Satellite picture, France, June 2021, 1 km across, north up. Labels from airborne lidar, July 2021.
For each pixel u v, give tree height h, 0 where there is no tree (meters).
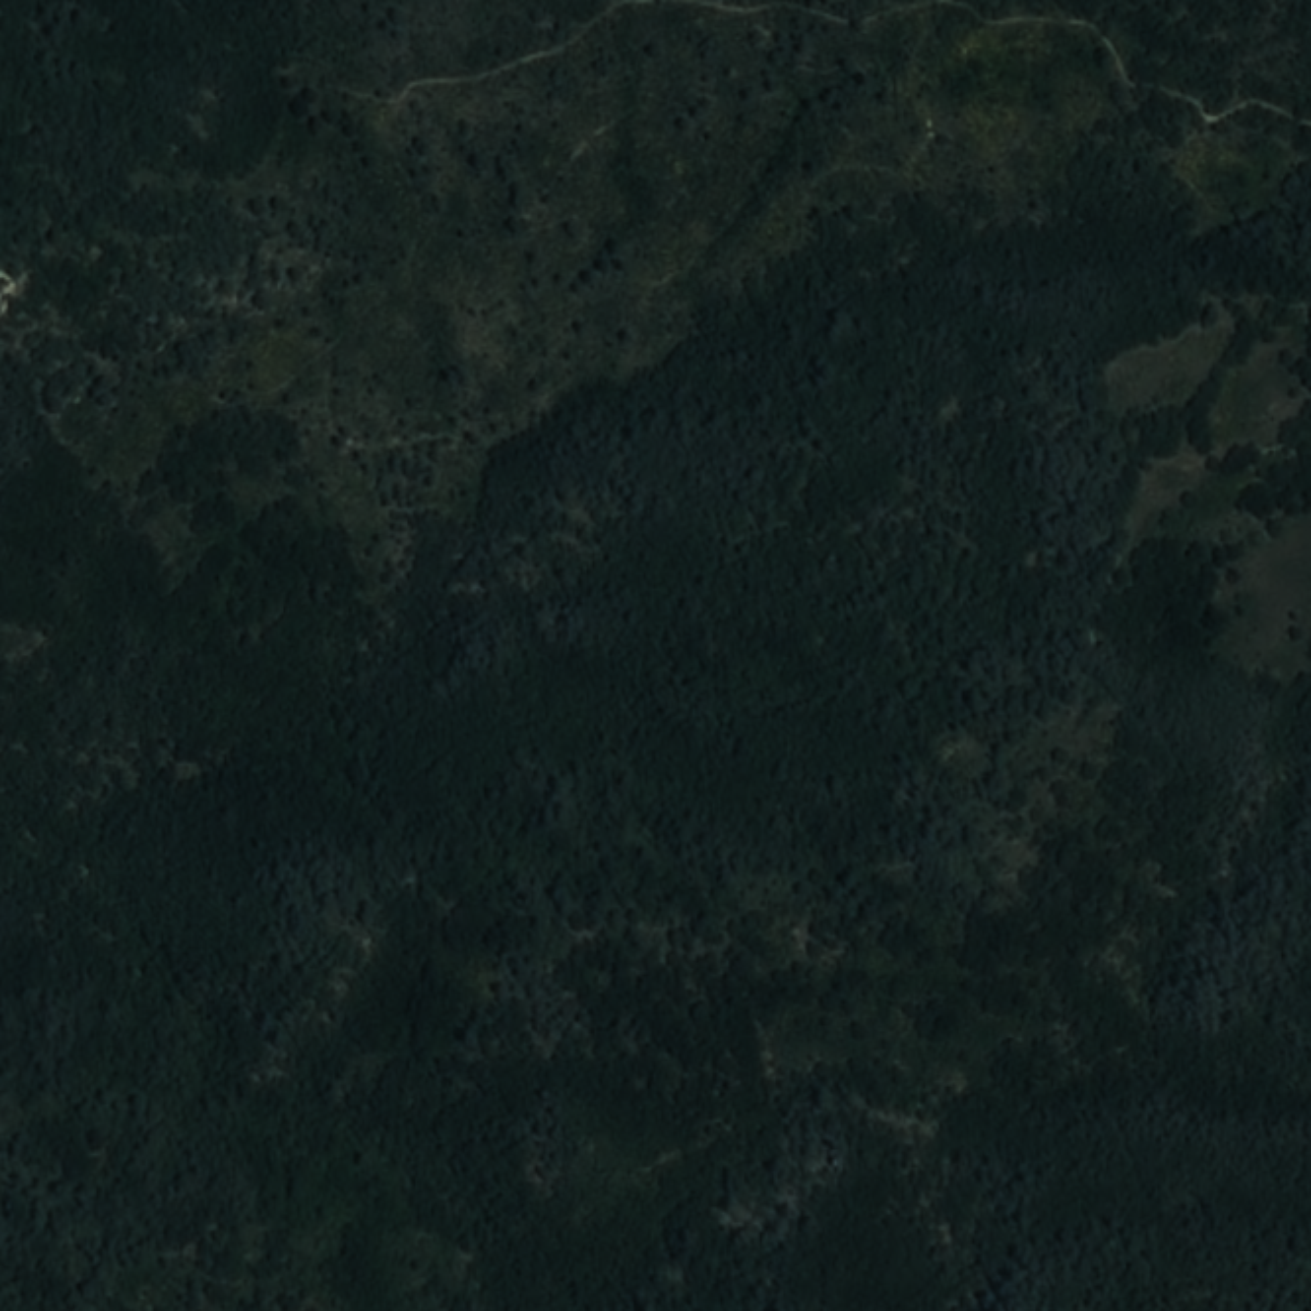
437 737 15
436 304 6
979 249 17
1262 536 6
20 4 9
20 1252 14
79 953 13
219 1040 10
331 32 7
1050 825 7
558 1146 8
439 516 12
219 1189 13
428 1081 6
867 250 10
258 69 11
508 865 6
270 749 10
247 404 7
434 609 12
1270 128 7
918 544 9
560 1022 15
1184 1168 15
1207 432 11
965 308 11
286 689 17
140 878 9
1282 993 16
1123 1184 13
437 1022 10
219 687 8
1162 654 14
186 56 14
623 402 13
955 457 9
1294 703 9
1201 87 8
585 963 11
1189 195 8
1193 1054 9
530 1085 14
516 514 8
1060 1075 15
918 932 11
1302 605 0
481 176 9
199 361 15
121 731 8
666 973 11
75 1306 14
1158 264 9
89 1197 13
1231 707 12
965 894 15
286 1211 8
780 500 9
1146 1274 15
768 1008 12
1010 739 14
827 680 14
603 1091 13
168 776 15
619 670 21
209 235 7
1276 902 17
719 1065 12
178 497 11
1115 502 10
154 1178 12
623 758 11
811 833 8
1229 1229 19
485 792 8
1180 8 6
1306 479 14
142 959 10
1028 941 12
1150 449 11
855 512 11
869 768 10
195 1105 13
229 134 8
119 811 13
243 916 11
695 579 13
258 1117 11
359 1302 13
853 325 6
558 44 15
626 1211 13
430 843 8
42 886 11
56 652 10
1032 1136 11
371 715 10
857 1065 13
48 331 6
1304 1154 10
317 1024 6
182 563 8
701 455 9
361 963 9
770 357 11
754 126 6
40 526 9
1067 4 8
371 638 12
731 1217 18
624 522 12
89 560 11
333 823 10
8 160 7
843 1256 14
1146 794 14
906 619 10
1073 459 16
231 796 13
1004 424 9
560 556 6
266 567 9
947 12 6
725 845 11
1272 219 18
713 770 17
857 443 8
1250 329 12
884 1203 9
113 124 12
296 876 17
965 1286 10
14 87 7
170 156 8
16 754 14
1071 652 13
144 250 6
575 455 10
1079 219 10
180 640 10
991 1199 6
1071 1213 10
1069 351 8
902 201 8
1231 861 14
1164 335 9
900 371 6
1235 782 16
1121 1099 8
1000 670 16
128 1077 8
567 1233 12
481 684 10
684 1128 10
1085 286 10
